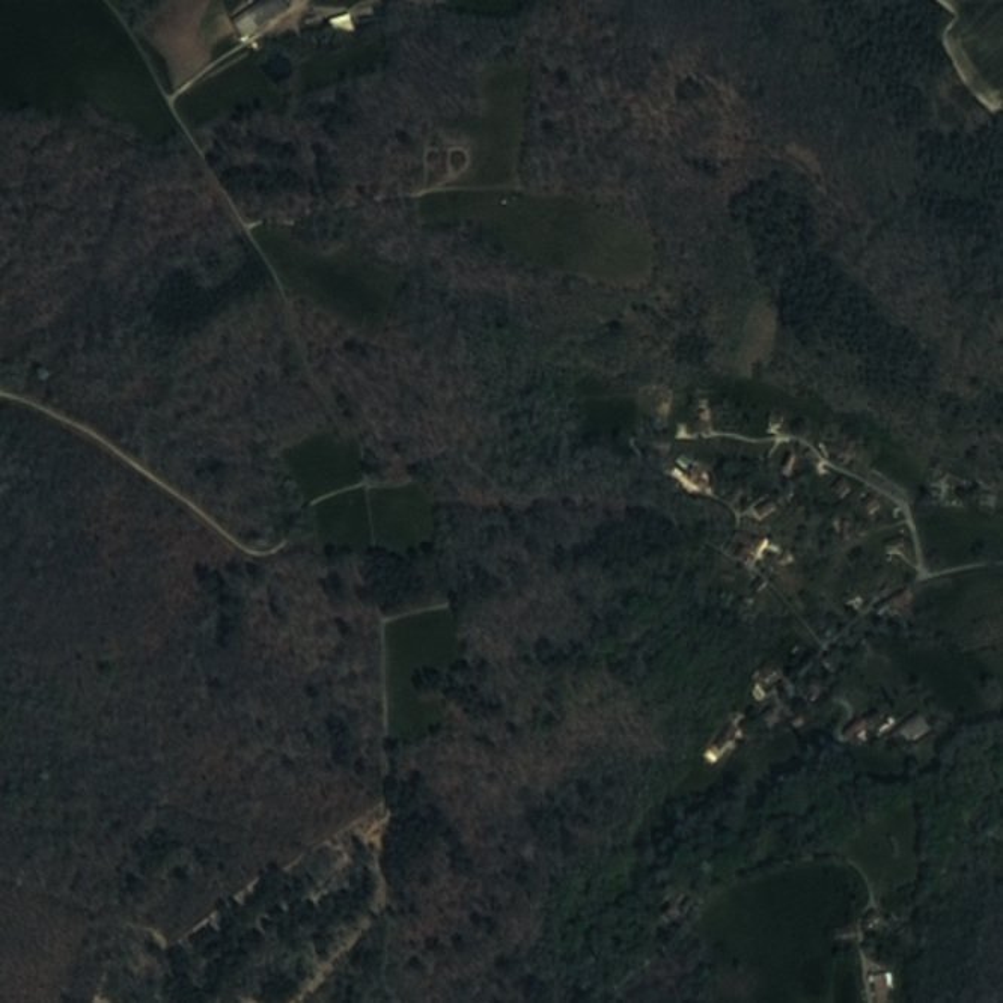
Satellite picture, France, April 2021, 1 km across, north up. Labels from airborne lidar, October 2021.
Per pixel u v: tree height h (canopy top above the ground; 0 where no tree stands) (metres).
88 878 10
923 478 0
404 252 15
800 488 11
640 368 17
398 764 13
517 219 0
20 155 8
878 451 15
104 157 8
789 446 0
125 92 0
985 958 16
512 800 16
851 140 12
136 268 10
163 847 12
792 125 11
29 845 15
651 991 9
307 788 7
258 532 12
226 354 10
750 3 12
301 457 0
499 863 7
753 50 17
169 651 8
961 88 5
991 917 18
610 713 21
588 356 17
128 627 7
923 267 12
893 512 0
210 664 11
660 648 21
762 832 18
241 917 17
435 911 7
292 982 9
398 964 10
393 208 13
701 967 6
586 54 10
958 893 19
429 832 27
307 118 12
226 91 0
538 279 17
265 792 9
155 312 19
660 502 22
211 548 6
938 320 18
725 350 10
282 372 12
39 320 20
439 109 15
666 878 23
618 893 22
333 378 11
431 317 12
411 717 0
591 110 15
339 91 14
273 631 15
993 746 21
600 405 0
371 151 14
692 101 24
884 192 16
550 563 13
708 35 13
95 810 11
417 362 18
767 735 9
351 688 13
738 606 10
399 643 0
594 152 15
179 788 7
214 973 15
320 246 14
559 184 17
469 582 14
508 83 0
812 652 9
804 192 8
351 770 24
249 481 15
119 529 6
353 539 0
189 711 11
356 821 0
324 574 14
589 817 14
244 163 9
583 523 14
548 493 14
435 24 16
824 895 0
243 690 8
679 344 8
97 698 8
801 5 10
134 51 0
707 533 14
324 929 15
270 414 15
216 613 13
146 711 10
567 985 17
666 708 21
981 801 21
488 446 12
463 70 20
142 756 8
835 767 27
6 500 14
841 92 14
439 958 26
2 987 8
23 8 0
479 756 16
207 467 19
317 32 7
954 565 0
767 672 0
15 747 8
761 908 0
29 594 12
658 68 14
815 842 11
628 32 12
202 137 14
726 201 8
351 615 13
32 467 14
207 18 0
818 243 23
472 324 21
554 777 12
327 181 28
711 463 0
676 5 15
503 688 13
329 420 7
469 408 18
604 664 16
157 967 14
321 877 14
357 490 0
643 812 20
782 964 0
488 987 16
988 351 21
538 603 15
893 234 17
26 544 15
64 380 6
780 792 18
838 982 0
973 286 22
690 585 16
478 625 15
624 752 17
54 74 0
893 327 12
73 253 20
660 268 10
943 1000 20
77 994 12
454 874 10
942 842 20
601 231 0
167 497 6
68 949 7
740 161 6
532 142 12
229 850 8
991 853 22
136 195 16
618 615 19
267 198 23
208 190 12
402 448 14
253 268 18
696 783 0
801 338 21
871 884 0
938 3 9
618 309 18
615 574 23
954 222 13
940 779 18
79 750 7
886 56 8
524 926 22
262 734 16
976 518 0
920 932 19
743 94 8
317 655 12
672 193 14
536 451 13
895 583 0
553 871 21
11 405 12
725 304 16
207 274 18
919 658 0
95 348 16
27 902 8
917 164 10
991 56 0
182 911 10
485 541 16
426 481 21
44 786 15
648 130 9
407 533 0
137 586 10
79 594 12
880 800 18
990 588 0
